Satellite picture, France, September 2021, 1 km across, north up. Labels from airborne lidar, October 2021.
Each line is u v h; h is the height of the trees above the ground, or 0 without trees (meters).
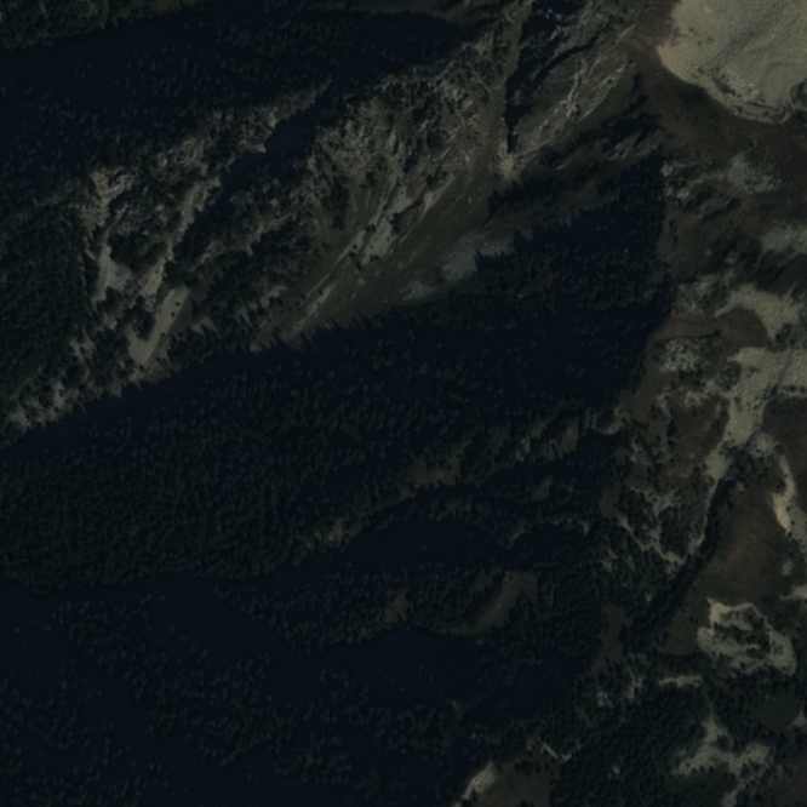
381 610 6
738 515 0
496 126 0
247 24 12
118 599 22
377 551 7
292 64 6
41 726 28
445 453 21
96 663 28
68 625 22
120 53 7
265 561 6
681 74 0
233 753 20
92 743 22
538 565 12
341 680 27
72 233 9
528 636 8
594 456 11
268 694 8
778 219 0
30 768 14
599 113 0
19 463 25
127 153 10
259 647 7
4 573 23
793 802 0
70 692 38
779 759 9
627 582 9
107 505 20
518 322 7
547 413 14
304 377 15
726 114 0
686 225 0
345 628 7
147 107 9
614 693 9
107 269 0
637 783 13
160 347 0
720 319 0
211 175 12
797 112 0
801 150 0
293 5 14
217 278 0
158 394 0
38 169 6
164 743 7
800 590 0
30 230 29
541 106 0
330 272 0
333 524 10
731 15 0
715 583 0
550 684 6
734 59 0
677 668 12
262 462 29
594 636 9
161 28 7
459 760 6
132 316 14
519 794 0
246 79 10
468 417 6
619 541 8
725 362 0
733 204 6
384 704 8
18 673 29
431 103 10
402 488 13
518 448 10
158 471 30
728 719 17
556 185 6
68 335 30
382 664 20
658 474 7
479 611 23
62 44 15
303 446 12
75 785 14
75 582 18
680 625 0
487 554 10
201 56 11
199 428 36
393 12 0
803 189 0
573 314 7
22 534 24
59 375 11
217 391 21
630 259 7
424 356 6
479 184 0
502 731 11
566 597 14
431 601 23
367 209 0
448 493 7
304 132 20
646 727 13
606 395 6
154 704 25
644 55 0
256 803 20
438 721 20
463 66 6
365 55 6
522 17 0
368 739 6
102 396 0
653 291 10
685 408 0
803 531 0
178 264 12
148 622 19
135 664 18
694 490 7
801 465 0
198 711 10
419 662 10
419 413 12
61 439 0
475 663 6
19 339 16
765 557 0
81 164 11
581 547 14
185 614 13
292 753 12
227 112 7
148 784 25
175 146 12
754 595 0
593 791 15
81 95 11
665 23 0
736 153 0
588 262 15
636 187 10
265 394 18
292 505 15
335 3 5
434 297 0
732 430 0
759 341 0
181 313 0
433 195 0
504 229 0
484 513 21
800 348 0
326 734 8
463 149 0
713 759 0
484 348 7
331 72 5
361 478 26
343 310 0
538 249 7
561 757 7
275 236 13
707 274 0
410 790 6
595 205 0
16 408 13
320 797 9
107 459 30
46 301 31
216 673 25
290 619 14
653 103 0
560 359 9
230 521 30
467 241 0
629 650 11
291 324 0
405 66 6
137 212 12
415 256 0
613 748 12
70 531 22
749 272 9
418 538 16
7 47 11
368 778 18
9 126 21
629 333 7
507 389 7
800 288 0
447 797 6
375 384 7
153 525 23
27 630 37
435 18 0
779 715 0
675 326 0
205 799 9
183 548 12
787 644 0
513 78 0
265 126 7
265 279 11
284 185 13
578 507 16
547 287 0
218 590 23
